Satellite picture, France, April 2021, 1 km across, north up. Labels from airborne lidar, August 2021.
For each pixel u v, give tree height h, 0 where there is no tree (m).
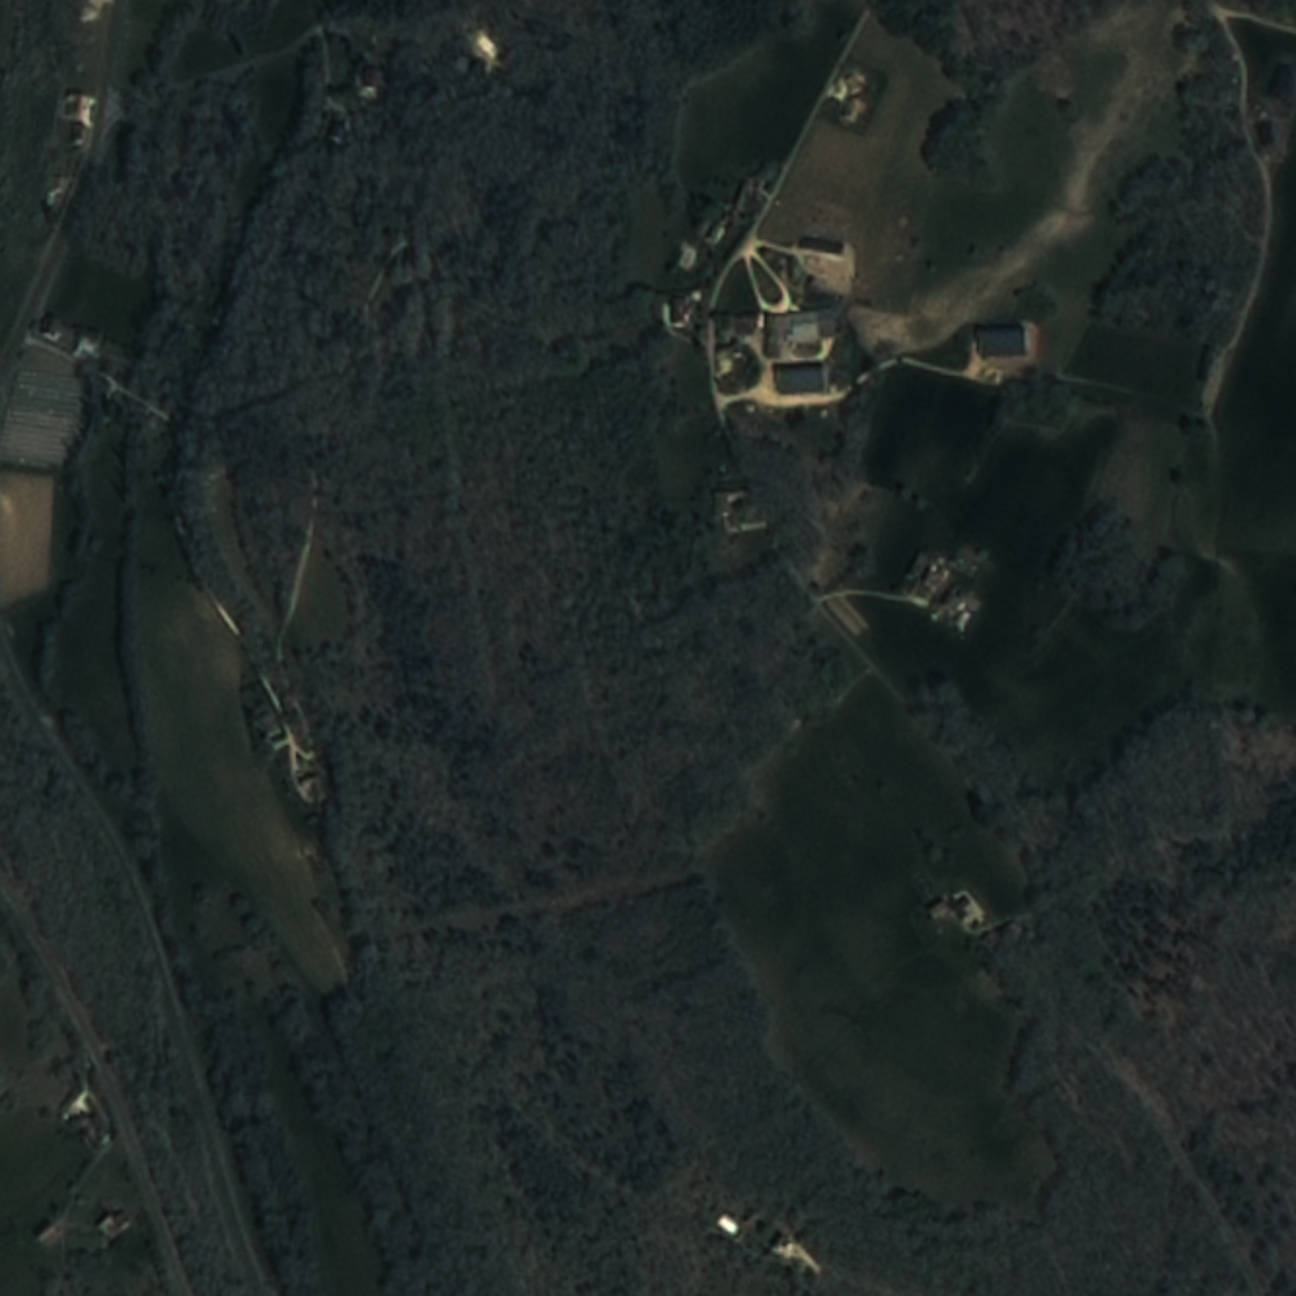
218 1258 18
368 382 20
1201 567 0
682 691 19
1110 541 23
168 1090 18
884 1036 0
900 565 0
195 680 0
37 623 0
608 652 13
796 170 0
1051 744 0
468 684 17
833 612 0
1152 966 14
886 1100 0
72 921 22
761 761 22
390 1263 14
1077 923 23
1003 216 0
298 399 22
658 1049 17
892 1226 20
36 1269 0
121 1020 23
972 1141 0
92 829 25
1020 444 0
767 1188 20
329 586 0
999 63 17
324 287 15
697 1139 15
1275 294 0
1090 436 0
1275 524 0
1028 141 0
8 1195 0
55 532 0
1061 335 0
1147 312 20
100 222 35
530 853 8
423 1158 22
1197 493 0
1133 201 21
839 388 13
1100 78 0
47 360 0
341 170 16
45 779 22
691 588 8
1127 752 14
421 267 17
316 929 0
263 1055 13
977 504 0
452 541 11
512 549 10
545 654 10
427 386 18
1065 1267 22
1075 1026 23
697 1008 19
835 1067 0
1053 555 0
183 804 0
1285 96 0
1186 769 23
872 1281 17
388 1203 17
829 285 0
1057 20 17
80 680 0
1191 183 13
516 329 16
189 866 0
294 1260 9
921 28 17
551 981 18
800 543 23
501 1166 9
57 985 0
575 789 8
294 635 0
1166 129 0
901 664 0
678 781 6
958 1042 0
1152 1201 17
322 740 12
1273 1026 11
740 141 0
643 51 14
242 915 9
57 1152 0
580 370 22
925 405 0
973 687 0
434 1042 12
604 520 12
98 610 0
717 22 21
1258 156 10
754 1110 23
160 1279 10
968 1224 18
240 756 0
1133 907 16
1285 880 10
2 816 10
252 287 23
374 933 9
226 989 0
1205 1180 6
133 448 11
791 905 0
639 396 12
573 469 10
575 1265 9
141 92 16
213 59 0
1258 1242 13
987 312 0
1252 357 0
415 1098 17
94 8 0
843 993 0
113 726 0
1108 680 0
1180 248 17
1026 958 24
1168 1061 16
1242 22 0
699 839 20
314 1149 0
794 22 15
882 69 0
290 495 18
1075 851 23
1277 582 0
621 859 8
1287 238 0
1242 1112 7
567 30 16
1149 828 21
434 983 8
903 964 0
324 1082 12
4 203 8
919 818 0
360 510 9
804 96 0
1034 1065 22
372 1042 21
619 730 9
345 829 14
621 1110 6
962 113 16
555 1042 18
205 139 11
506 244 14
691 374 0
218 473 22
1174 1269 13
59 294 0
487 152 22
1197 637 0
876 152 0
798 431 15
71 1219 0
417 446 14
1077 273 0
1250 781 13
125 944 21
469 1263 19
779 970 0
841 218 0
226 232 27
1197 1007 20
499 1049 10
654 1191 10
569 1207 18
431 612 12
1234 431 0
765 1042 20
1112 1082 25
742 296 0
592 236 14
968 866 0
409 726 8
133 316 0
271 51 0
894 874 0
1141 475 0
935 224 0
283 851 0
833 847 0
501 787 13
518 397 9
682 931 10
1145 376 0
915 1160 0
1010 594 0
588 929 9
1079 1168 19
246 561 8
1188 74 0
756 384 0
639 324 17
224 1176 0
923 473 0
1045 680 0
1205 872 12
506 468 9
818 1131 24
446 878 8
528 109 17
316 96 18
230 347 18
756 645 24
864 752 0
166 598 0
